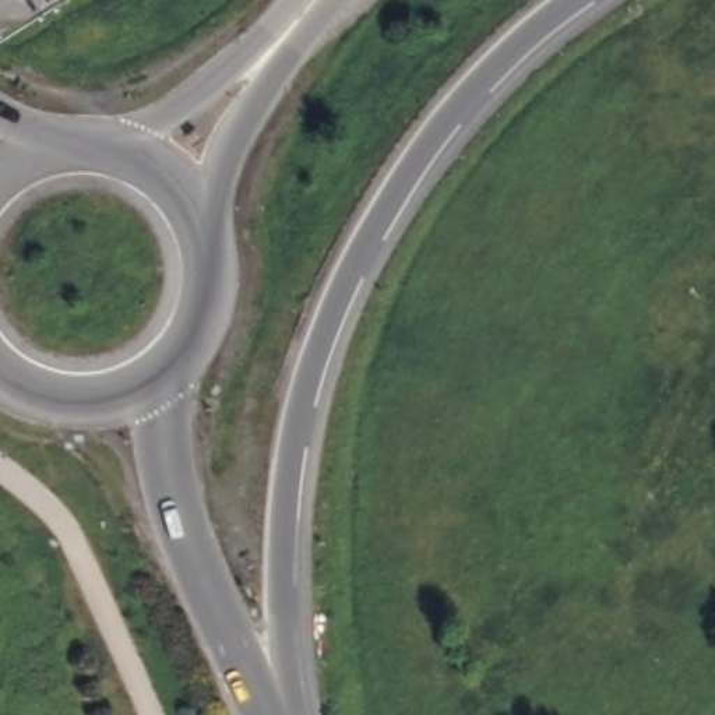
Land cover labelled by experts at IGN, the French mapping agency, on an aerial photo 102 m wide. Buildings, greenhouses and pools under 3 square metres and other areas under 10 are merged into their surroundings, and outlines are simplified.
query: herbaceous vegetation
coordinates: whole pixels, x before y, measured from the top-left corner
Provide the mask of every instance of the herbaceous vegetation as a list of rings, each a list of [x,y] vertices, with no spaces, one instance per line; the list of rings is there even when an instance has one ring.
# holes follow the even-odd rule
[[[285,358],[290,352],[290,344],[302,335],[313,299],[341,246],[341,237],[346,235],[366,193],[371,190],[380,168],[388,162],[399,140],[411,131],[411,126],[422,117],[427,103],[438,95],[438,89],[508,20],[514,20],[533,0],[405,0],[413,6],[436,8],[441,14],[436,28],[427,28],[425,22],[399,22],[391,31],[380,31],[380,14],[374,6],[363,11],[352,25],[346,25],[332,42],[327,42],[302,70],[313,78],[307,92],[335,112],[338,140],[321,142],[316,134],[307,134],[302,128],[302,120],[285,134],[268,182],[260,193],[254,218],[254,237],[263,254],[257,324],[251,330],[249,349],[240,352],[235,360],[229,385],[221,391],[221,430],[209,464],[212,475],[232,475],[232,441],[237,444],[251,436],[257,447],[265,447],[271,452],[285,385]]]
[[[444,176],[444,182],[427,198],[416,221],[411,221],[411,226],[405,229],[383,277],[374,282],[360,310],[332,394],[313,500],[313,603],[316,612],[327,617],[324,654],[316,659],[316,673],[318,695],[321,701],[330,701],[330,715],[715,715],[715,0],[628,0],[609,20],[598,22],[589,34],[584,34],[581,39],[570,39],[567,47],[556,59],[550,59],[525,87],[519,87],[511,95],[511,101],[500,109],[500,115],[466,145],[458,165]]]
[[[148,64],[184,50],[193,39],[223,25],[223,20],[232,11],[249,8],[251,0],[61,0],[31,22],[0,22],[0,70],[36,70],[47,75],[50,84],[75,87],[81,92],[101,92],[117,75],[123,75],[128,84],[140,84],[145,78]]]
[[[36,349],[73,358],[103,355],[126,346],[145,330],[159,304],[165,274],[159,240],[151,223],[142,218],[137,207],[103,190],[70,190],[45,196],[14,221],[11,232],[0,240],[0,310],[11,321],[11,327]]]
[[[123,494],[123,466],[106,444],[98,441],[84,441],[75,450],[64,450],[56,441],[53,427],[28,425],[0,411],[0,452],[17,461],[22,469],[28,469],[36,480],[42,480],[78,519],[117,600],[117,609],[128,626],[128,634],[137,645],[137,654],[148,670],[148,679],[165,715],[229,715],[184,609],[179,606],[159,561],[134,533],[134,511]]]
[[[73,687],[73,676],[67,668],[67,645],[75,640],[87,642],[98,631],[98,623],[84,600],[84,592],[61,547],[56,545],[50,528],[25,503],[20,503],[11,492],[0,486],[0,715],[84,715],[73,695],[78,687]]]

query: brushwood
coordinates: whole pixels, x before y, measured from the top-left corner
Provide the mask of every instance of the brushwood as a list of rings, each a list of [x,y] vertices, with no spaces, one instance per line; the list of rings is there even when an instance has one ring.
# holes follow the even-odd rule
[[[307,92],[302,95],[302,120],[302,128],[307,134],[316,134],[321,142],[338,140],[335,112]]]
[[[134,701],[117,673],[117,665],[98,631],[87,642],[75,640],[67,645],[67,668],[73,676],[73,687],[78,687],[73,695],[84,715],[137,715]]]
[[[391,31],[399,22],[425,22],[427,28],[436,28],[441,14],[436,8],[413,6],[405,0],[380,0],[374,6],[380,14],[380,31]]]

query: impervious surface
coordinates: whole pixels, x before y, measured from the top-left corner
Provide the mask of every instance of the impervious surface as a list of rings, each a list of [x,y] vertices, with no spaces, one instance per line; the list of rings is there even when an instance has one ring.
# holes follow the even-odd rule
[[[0,0],[0,22],[31,22],[61,0]]]
[[[128,626],[117,609],[117,600],[78,519],[42,480],[36,480],[28,469],[22,469],[17,461],[0,452],[0,486],[11,492],[20,503],[25,503],[50,528],[56,545],[61,547],[84,592],[84,600],[98,623],[98,631],[117,665],[117,673],[134,701],[137,715],[165,715],[148,679],[148,670],[137,654],[137,645],[128,634]]]
[[[184,609],[229,715],[330,715],[330,701],[321,701],[318,695],[316,673],[316,659],[324,654],[327,617],[316,612],[313,603],[313,500],[332,394],[360,310],[374,282],[383,277],[405,229],[411,226],[411,221],[416,221],[427,198],[444,182],[444,176],[458,165],[466,145],[500,115],[500,109],[511,101],[511,95],[519,87],[525,87],[550,59],[556,59],[567,47],[570,39],[581,39],[584,34],[589,34],[598,22],[609,20],[628,0],[533,0],[514,20],[508,20],[438,89],[438,95],[427,103],[422,117],[411,126],[411,131],[399,140],[388,162],[380,168],[371,190],[366,193],[346,235],[341,237],[341,246],[313,299],[302,335],[290,344],[290,352],[285,358],[285,385],[271,452],[263,514],[260,603],[246,606],[221,553],[215,525],[207,511],[201,466],[196,458],[196,413],[201,377],[207,374],[207,366],[212,363],[229,330],[240,285],[235,243],[235,190],[249,159],[249,151],[254,148],[268,117],[274,115],[274,109],[279,106],[279,101],[285,98],[293,78],[302,70],[327,42],[332,42],[346,25],[352,25],[363,11],[374,6],[380,0],[274,0],[235,42],[221,47],[176,89],[126,115],[56,115],[34,109],[25,101],[0,89],[0,240],[11,232],[14,221],[45,196],[70,190],[103,190],[137,207],[142,218],[151,223],[159,240],[165,274],[159,304],[145,330],[126,346],[103,355],[73,358],[36,349],[11,327],[11,321],[0,310],[0,411],[28,425],[53,427],[128,427],[134,461],[123,466],[123,494],[134,511],[134,533],[159,561],[179,606]]]

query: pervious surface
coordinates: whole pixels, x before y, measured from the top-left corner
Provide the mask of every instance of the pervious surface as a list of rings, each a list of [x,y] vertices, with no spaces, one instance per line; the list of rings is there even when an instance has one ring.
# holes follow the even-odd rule
[[[64,450],[75,450],[84,441],[98,441],[106,444],[123,466],[134,461],[128,427],[53,427],[56,441]]]
[[[246,606],[260,603],[263,514],[271,452],[265,447],[257,447],[251,436],[237,444],[232,441],[232,475],[212,475],[209,464],[221,430],[221,391],[229,385],[235,360],[240,352],[249,349],[251,330],[257,324],[263,254],[254,237],[254,218],[260,193],[268,182],[285,134],[302,120],[302,95],[307,92],[313,78],[302,70],[293,78],[285,98],[279,101],[279,106],[274,109],[274,115],[268,117],[254,148],[249,151],[249,159],[235,190],[235,243],[240,285],[229,330],[212,363],[207,366],[207,374],[201,377],[196,413],[196,458],[201,466],[207,511],[215,525],[221,553]]]
[[[117,75],[101,92],[81,92],[75,87],[50,84],[47,75],[36,70],[0,70],[0,89],[25,101],[34,109],[56,115],[126,115],[176,89],[221,47],[235,42],[274,0],[251,0],[249,8],[232,11],[223,20],[223,25],[193,39],[184,50],[148,64],[145,78],[140,84],[128,84],[123,75]]]

